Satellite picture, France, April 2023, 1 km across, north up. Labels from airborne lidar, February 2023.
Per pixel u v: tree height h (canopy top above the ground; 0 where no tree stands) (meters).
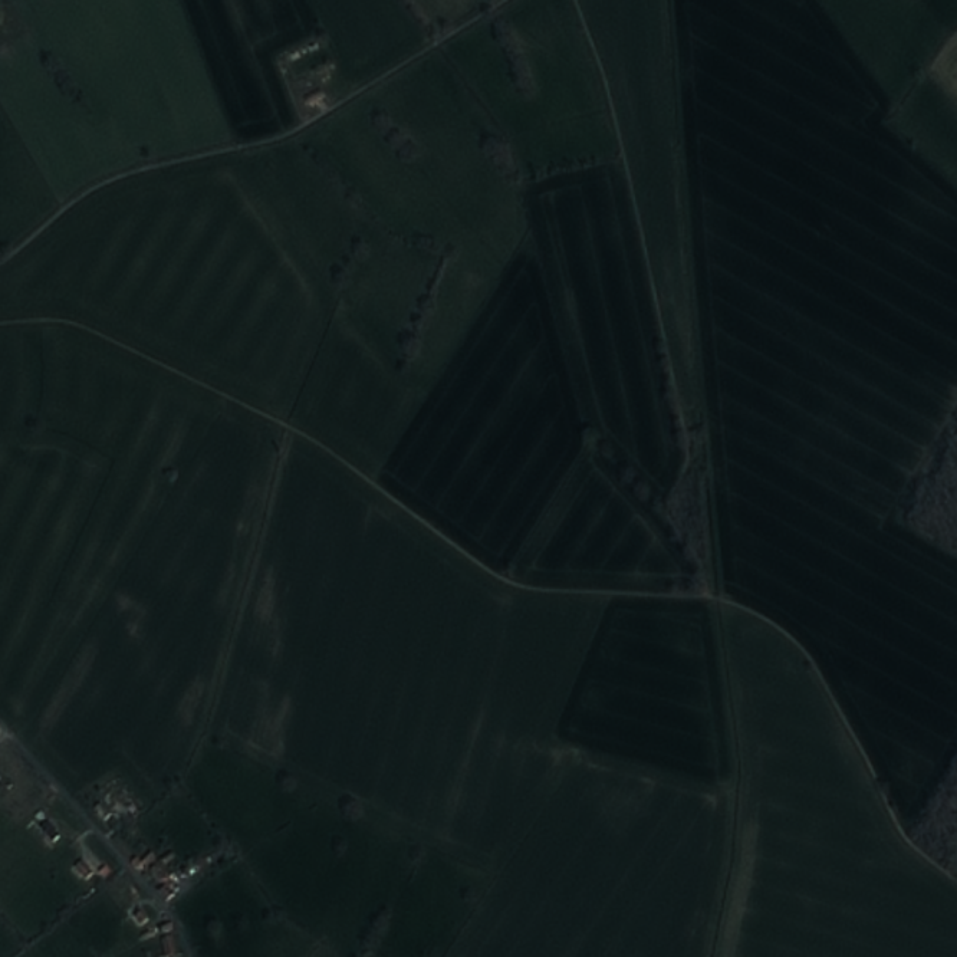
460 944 0
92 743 0
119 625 0
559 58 0
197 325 0
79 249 0
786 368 0
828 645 0
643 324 0
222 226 0
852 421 0
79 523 0
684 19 0
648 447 0
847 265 0
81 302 0
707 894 0
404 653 0
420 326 15
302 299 0
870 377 0
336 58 0
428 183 0
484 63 0
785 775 0
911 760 0
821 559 0
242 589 0
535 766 0
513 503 0
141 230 0
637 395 0
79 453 0
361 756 0
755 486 0
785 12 0
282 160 0
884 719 0
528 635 0
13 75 0
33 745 0
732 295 0
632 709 0
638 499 14
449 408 0
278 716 0
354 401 0
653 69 0
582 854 0
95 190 0
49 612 0
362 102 0
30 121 0
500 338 0
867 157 0
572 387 0
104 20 0
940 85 0
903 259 0
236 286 0
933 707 0
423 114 0
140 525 0
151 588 0
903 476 0
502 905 0
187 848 0
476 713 0
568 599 0
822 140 0
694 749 0
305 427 0
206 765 0
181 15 0
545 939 0
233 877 0
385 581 0
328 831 0
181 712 0
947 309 0
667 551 0
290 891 0
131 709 0
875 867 0
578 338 0
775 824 0
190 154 0
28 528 0
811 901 0
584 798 0
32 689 0
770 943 0
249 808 0
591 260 0
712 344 0
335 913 0
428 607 0
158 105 0
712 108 0
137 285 0
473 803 0
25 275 0
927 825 13
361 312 0
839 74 0
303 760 0
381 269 0
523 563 0
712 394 0
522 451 0
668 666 0
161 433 0
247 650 0
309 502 0
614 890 0
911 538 0
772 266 0
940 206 0
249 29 0
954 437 14
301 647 0
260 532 0
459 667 0
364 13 0
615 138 0
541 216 0
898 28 0
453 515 0
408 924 0
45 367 0
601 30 0
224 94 0
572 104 0
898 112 0
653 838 0
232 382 0
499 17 13
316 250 0
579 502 0
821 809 0
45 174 0
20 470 0
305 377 0
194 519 0
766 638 0
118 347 0
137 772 0
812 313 0
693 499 10
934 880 0
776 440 0
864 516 0
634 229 0
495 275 0
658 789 0
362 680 0
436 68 0
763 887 0
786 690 0
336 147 0
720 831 0
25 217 0
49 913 0
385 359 0
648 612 0
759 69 0
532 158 0
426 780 0
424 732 0
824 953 0
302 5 0
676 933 0
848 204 0
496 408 0
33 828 0
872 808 0
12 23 0
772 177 0
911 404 0
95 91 0
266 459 0
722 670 0
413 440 0
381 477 0
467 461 0
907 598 0
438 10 0
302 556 0
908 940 0
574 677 0
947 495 22
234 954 0
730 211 0
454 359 0
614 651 0
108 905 0
